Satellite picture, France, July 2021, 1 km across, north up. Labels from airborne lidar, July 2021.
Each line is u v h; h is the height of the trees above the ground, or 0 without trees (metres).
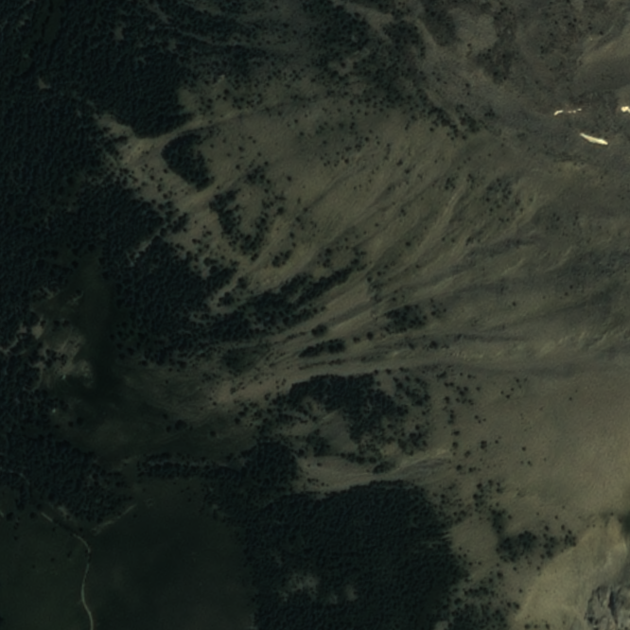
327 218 0
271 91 0
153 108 13
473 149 0
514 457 0
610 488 0
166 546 0
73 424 13
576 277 0
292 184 0
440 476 0
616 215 0
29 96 19
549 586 0
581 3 0
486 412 0
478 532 0
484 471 0
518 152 0
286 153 0
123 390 0
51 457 12
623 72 0
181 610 0
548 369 0
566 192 0
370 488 6
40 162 20
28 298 20
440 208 0
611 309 0
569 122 0
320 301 0
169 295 15
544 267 0
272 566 6
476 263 0
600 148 0
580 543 0
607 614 0
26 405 10
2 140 14
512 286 0
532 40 0
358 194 0
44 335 0
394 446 0
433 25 0
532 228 0
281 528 10
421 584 7
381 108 6
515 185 0
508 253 0
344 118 0
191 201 0
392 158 0
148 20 11
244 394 0
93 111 12
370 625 10
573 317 0
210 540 0
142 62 14
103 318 0
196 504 0
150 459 7
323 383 17
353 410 10
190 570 0
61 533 0
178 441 0
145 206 15
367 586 7
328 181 0
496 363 0
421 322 8
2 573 0
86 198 12
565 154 0
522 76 0
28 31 14
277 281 0
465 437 0
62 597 0
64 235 15
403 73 6
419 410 0
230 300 10
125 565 0
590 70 0
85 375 0
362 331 0
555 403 0
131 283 19
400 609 7
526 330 0
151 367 0
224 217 8
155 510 0
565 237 0
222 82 0
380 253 0
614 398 0
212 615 0
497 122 0
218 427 0
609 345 0
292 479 6
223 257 7
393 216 0
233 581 0
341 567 8
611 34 0
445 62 0
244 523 8
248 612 0
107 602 0
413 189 0
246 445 0
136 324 12
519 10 0
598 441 0
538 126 0
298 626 12
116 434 0
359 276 0
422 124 0
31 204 17
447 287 0
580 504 0
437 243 0
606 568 0
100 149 10
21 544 0
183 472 7
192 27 7
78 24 14
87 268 0
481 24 0
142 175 0
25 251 19
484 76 0
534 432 0
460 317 0
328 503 14
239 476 17
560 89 0
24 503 13
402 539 11
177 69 10
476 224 0
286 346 0
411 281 0
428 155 0
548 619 0
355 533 10
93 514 12
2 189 19
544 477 0
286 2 0
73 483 16
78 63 17
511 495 0
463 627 7
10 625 0
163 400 0
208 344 7
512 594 0
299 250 0
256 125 0
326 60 7
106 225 12
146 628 0
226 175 0
